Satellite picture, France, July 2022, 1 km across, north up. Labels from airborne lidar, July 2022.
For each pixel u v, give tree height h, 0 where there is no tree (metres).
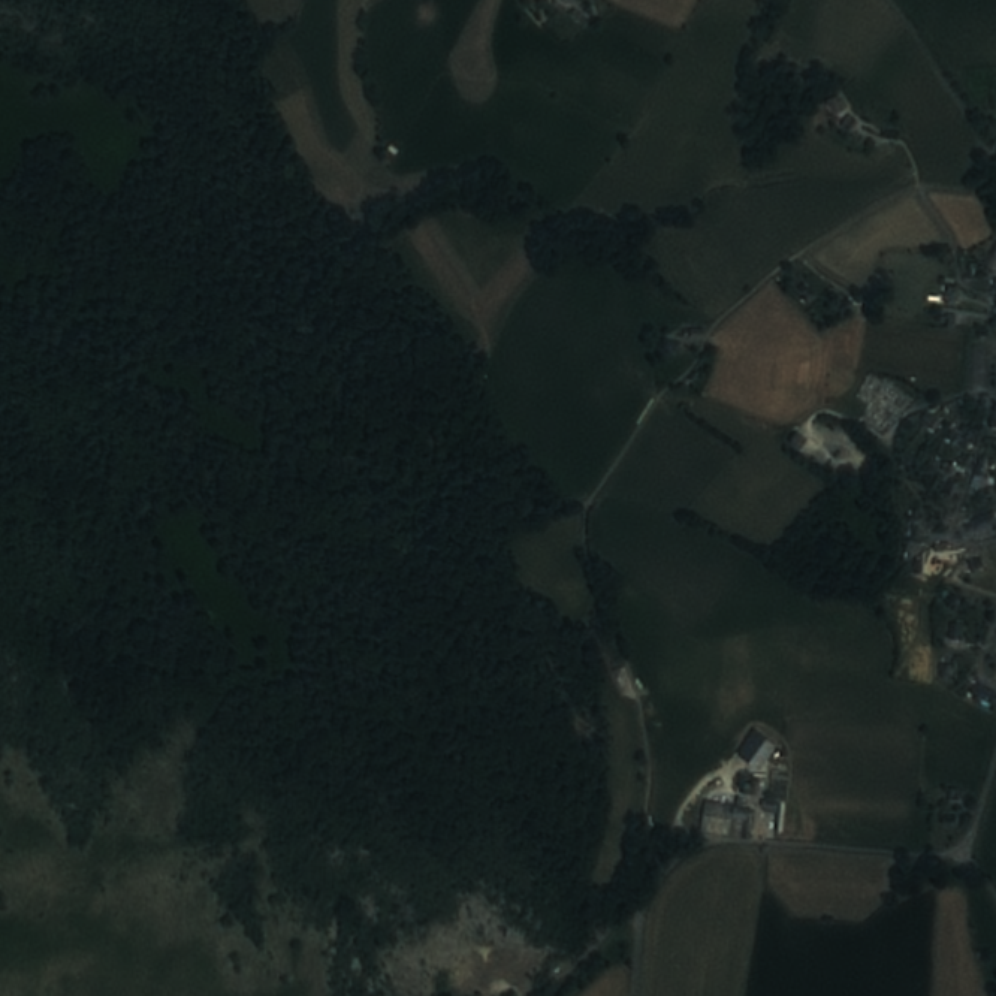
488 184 33
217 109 19
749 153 20
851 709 0
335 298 24
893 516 19
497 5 0
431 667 24
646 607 0
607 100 0
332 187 0
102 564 7
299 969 0
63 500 15
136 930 0
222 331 26
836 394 0
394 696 21
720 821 0
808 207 0
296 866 9
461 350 21
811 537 15
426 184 15
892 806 0
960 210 0
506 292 0
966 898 0
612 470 0
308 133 0
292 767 20
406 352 30
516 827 11
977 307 0
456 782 18
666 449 0
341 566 16
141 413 22
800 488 0
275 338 20
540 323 0
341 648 10
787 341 0
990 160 15
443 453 14
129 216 15
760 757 0
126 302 28
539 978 8
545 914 6
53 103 0
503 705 17
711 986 0
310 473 25
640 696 0
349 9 0
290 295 28
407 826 8
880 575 21
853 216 0
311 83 0
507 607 33
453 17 0
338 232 41
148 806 0
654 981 0
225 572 17
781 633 0
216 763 7
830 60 0
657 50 0
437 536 29
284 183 30
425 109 0
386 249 30
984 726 0
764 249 0
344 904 17
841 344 0
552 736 25
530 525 26
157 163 20
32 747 12
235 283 29
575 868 22
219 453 22
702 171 0
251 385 21
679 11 0
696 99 0
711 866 0
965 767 0
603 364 0
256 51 33
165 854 0
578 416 0
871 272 0
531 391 0
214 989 0
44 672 7
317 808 6
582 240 32
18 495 8
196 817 7
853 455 0
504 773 29
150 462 14
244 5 25
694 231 0
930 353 0
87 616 9
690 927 0
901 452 8
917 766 0
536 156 0
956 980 0
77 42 12
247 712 15
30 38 8
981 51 0
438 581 25
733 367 0
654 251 0
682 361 0
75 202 20
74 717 6
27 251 17
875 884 0
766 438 0
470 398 20
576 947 11
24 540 5
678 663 0
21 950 0
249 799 6
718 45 0
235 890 9
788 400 0
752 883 0
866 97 0
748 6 0
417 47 0
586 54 0
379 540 19
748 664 0
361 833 7
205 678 19
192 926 0
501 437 23
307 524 15
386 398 27
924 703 0
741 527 0
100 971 0
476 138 0
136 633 26
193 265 10
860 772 0
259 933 7
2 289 20
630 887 23
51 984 0
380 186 0
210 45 9
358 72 11
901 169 0
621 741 0
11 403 12
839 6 0
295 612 6
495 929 0
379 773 15
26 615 8
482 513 31
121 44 10
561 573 0
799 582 18
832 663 0
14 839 0
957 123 0
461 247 0
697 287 0
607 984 0
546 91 0
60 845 0
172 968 0
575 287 0
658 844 8
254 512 15
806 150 0
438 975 6
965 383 0
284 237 32
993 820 0
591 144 0
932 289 0
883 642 0
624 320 0
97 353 24
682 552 0
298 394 30
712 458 0
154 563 12
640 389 0
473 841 13
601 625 24
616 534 0
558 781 22
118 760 11
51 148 21
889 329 0
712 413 0
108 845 0
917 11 0
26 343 12
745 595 0
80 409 11
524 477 34
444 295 0
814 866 0
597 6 0
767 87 18
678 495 0
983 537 0
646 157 0
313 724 17
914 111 0
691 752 0
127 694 18
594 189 0
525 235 0
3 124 0
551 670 33
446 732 17
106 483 20
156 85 14
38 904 0
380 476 21
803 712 0
